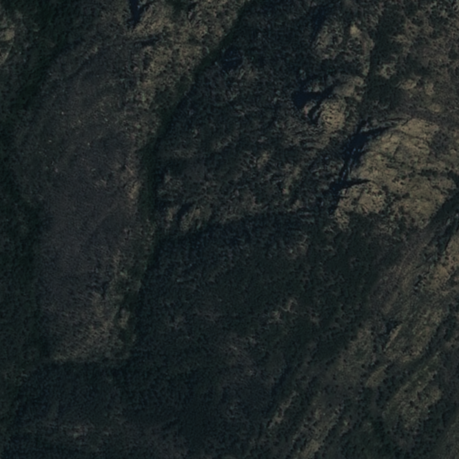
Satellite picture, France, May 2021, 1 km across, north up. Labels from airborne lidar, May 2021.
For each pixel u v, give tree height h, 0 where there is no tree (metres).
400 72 18
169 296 21
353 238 19
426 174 15
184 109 17
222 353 29
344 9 19
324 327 17
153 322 26
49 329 26
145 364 25
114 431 18
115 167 16
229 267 16
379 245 13
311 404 13
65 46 7
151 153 11
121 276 6
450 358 19
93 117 14
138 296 10
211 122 12
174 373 26
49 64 7
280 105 16
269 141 16
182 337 20
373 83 17
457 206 12
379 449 6
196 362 26
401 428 15
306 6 16
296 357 18
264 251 20
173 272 22
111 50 13
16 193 19
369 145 0
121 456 27
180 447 13
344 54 11
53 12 15
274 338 21
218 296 21
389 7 18
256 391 18
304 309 17
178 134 21
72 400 25
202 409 19
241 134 14
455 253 0
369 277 19
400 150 15
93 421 20
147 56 10
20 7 8
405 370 7
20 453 8
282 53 24
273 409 20
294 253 16
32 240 23
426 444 22
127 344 8
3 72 20
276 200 15
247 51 9
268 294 21
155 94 6
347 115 22
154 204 10
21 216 8
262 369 17
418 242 16
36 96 15
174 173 6
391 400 13
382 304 15
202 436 22
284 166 12
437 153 16
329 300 17
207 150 17
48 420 18
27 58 13
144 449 21
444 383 18
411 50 16
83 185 19
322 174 24
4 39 6
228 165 18
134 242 25
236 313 21
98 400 25
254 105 17
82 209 21
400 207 7
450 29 12
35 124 27
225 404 21
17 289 28
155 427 16
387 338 13
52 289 23
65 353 16
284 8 22
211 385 26
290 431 13
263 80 18
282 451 6
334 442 14
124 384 13
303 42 18
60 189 23
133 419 19
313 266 13
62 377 27
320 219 20
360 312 20
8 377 10
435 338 12
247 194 12
